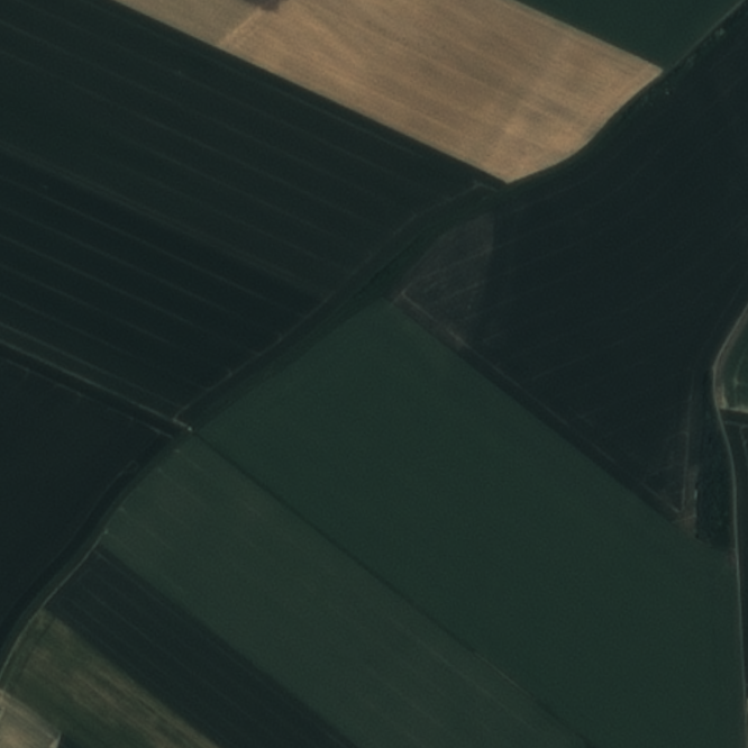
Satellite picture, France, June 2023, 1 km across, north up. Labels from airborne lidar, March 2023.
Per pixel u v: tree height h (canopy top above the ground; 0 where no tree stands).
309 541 0
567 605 0
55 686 0
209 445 0
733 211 0
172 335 0
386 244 0
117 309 0
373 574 0
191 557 0
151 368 0
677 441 0
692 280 0
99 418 0
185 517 0
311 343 0
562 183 0
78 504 0
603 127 0
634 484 0
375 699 0
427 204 0
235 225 0
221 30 0
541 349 0
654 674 0
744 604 0
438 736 0
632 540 0
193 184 0
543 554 0
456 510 0
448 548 0
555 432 0
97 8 0
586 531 0
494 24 0
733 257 0
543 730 0
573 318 0
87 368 0
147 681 0
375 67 0
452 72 0
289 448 0
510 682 0
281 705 0
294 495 0
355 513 0
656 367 0
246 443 0
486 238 0
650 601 0
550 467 0
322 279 0
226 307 0
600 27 0
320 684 0
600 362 0
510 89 0
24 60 0
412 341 0
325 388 0
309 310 0
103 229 0
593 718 0
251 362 0
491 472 0
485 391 0
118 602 0
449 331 0
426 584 0
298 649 0
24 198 0
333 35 0
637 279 0
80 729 0
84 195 0
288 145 0
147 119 0
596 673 0
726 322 0
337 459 0
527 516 0
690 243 0
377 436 0
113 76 0
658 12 0
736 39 0
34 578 0
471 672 0
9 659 0
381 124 0
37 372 0
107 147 0
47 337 0
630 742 0
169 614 0
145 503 0
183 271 0
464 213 0
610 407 0
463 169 0
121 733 0
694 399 0
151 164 0
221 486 0
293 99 0
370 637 0
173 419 0
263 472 0
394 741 0
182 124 0
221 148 0
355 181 0
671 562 0
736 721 0
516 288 0
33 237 0
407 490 0
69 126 0
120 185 0
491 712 0
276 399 0
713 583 0
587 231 0
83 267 0
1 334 0
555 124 0
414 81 0
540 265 0
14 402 0
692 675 0
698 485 8
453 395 0
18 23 0
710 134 0
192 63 0
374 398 0
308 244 0
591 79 0
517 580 0
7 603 0
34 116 0
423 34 0
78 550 0
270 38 0
